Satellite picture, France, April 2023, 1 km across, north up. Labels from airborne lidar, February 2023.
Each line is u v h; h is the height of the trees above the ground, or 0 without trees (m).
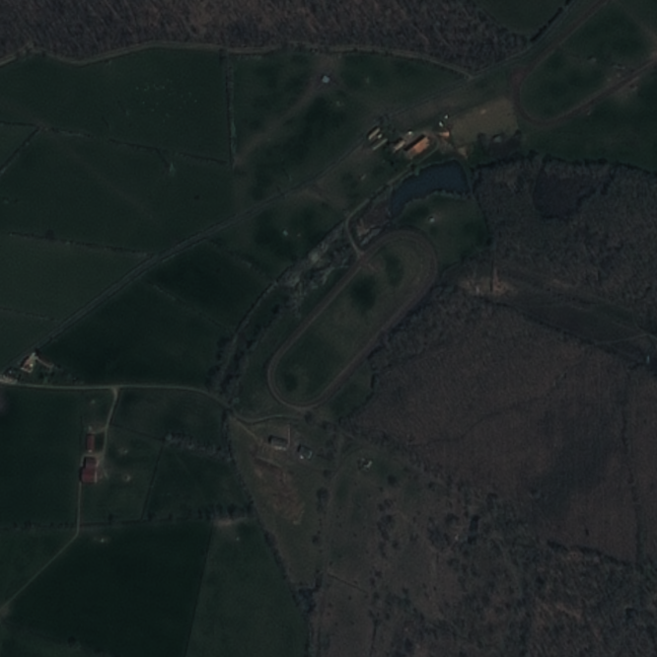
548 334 12
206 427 0
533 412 7
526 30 0
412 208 0
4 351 0
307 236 0
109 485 0
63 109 0
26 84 0
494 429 10
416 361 11
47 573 0
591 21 0
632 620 12
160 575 0
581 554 13
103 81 0
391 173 0
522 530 18
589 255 17
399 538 0
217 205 0
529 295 0
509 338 13
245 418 0
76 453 0
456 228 0
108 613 0
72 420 0
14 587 0
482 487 10
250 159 0
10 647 0
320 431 0
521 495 9
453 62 6
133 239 0
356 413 10
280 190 0
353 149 0
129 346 0
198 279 0
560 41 0
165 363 0
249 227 0
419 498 0
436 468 10
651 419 10
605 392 8
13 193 0
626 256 20
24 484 0
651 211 20
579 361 9
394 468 0
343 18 22
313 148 0
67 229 0
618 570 17
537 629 19
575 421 7
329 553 0
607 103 0
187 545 0
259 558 0
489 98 0
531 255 14
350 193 0
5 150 0
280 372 0
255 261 0
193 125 0
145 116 0
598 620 15
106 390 0
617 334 0
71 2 25
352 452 0
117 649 0
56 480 0
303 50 15
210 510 0
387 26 22
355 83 0
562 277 14
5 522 0
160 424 0
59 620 0
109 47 18
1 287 0
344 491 0
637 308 7
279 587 0
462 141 0
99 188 0
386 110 0
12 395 0
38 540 0
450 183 0
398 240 0
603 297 9
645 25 0
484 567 0
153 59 0
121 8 23
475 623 0
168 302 0
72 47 13
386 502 0
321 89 0
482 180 14
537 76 0
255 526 0
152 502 0
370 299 0
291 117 0
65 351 0
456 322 17
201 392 0
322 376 0
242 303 0
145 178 0
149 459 0
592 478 7
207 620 0
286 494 0
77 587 0
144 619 0
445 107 0
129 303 0
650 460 9
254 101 0
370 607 0
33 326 0
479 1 0
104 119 0
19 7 24
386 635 0
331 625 0
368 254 0
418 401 13
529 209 15
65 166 0
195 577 0
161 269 0
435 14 22
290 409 0
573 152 0
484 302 8
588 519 8
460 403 14
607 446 6
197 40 15
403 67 0
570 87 0
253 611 0
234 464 6
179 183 0
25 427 0
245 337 0
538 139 0
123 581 0
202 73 0
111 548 0
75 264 0
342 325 0
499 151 0
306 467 0
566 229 15
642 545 13
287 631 0
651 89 0
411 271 0
